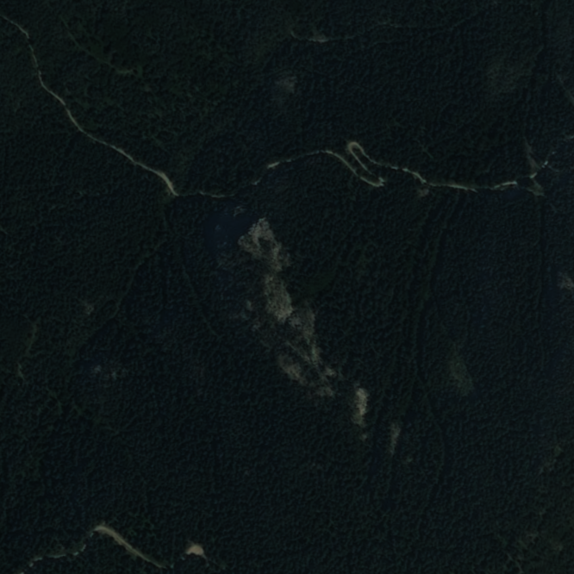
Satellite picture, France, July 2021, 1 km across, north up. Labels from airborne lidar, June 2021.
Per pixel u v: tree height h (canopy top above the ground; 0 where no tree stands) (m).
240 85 16
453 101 32
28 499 20
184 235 18
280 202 11
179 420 30
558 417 18
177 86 14
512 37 11
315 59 6
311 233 18
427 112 23
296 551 17
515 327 28
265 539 25
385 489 32
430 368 25
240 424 23
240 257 19
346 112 23
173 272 20
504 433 26
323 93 20
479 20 12
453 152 13
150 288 22
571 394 18
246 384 31
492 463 20
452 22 18
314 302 7
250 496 20
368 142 22
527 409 14
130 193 28
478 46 18
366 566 16
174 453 18
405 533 29
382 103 25
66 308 19
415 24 14
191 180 26
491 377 21
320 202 26
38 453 14
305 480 15
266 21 21
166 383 21
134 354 33
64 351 26
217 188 19
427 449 26
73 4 26
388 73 26
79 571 17
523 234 11
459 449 23
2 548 14
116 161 20
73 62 20
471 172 12
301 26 14
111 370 6
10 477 25
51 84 16
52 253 16
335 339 34
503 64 11
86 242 24
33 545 25
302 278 21
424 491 26
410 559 25
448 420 14
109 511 8
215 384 22
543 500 17
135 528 12
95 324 19
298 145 24
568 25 9
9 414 9
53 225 22
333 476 29
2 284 9
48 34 16
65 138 20
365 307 27
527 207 25
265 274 15
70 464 16
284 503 21
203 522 23
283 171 10
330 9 18
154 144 17
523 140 23
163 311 6
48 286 13
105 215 21
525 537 19
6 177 22
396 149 29
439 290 23
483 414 27
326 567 21
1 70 22
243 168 9
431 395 10
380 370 22
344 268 32
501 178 23
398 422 6
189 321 32
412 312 17
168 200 8
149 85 7
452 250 27
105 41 15
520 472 28
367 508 23
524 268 14
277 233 14
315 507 24
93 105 20
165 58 11
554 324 13
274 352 11
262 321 14
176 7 20
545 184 20
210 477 23
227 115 24
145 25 20
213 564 19
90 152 18
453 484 27
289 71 19
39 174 18
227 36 33
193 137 18
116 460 19
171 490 16
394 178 27
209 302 18
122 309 13
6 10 24
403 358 19
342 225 24
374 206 24
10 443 15
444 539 26
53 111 10
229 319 9
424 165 8
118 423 20
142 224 26
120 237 19
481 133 17
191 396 27
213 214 10
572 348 8
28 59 14
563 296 9
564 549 8
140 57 16
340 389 11
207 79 25
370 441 13
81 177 25
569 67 9
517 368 33
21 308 21
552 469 9
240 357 23
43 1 17
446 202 13
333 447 28
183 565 17
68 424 26
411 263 8
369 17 17
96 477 18
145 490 23
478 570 25
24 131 20
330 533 7
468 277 25
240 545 15
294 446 20
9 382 19
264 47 14
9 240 22
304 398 17
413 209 22
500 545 14
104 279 21
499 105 24
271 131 19
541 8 13
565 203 9
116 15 17
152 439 25
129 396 26
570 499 12
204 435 26
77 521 17
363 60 20
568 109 15
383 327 24
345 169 7
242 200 25
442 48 12
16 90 16
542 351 26
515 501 19
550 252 23
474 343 26
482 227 9
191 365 12
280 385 19
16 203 14
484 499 19
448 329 18
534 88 29
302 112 34
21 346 20
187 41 15
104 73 11
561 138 12
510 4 10
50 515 12
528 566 12
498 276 22
